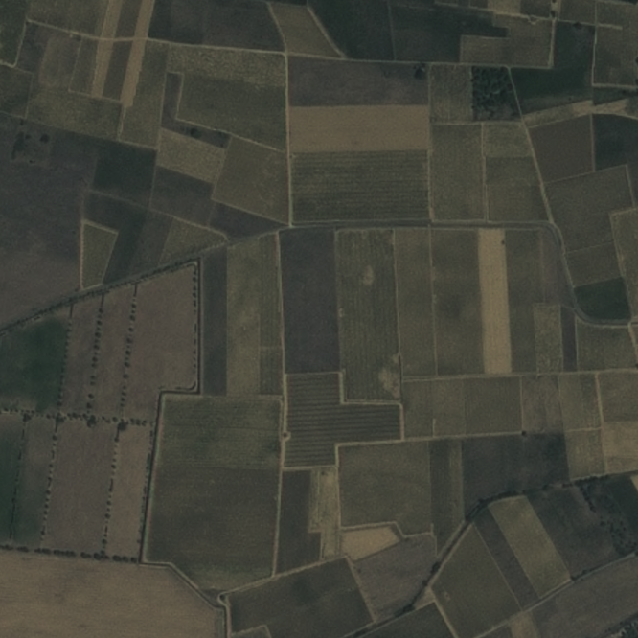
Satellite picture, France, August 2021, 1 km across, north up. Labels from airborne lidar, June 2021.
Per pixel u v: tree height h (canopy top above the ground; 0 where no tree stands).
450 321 0
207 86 0
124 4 0
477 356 0
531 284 0
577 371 0
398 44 0
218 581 0
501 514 0
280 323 0
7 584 0
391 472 0
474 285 0
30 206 0
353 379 0
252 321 0
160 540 0
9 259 0
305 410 0
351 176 0
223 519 0
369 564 0
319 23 0
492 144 0
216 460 0
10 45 0
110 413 0
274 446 0
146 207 0
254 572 0
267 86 0
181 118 0
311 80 0
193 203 0
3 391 0
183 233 0
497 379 0
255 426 0
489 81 7
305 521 0
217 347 0
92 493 0
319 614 0
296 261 0
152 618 0
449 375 0
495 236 0
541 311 0
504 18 0
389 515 0
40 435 0
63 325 0
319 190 0
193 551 0
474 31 0
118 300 0
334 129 0
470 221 0
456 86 0
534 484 0
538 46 0
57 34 0
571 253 0
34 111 0
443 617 0
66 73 0
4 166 0
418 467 0
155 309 0
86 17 0
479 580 0
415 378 0
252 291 0
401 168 0
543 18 0
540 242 0
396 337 0
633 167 0
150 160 0
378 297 0
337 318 0
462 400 0
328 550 0
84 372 0
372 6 0
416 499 0
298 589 0
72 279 0
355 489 0
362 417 0
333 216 0
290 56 0
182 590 0
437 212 0
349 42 0
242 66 0
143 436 0
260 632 0
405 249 0
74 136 0
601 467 0
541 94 0
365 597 0
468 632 0
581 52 0
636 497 0
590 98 0
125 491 0
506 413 0
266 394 0
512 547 0
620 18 0
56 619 0
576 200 0
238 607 0
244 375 0
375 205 0
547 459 0
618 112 0
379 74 0
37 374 0
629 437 0
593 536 0
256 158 0
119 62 0
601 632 0
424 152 0
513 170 0
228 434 0
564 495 0
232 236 0
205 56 0
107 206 0
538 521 0
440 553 0
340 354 0
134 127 0
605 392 0
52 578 0
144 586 0
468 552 0
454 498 0
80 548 0
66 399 0
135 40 0
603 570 0
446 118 0
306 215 0
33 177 0
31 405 0
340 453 0
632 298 0
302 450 0
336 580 0
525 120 0
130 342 7
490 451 0
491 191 0
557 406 0
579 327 0
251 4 0
